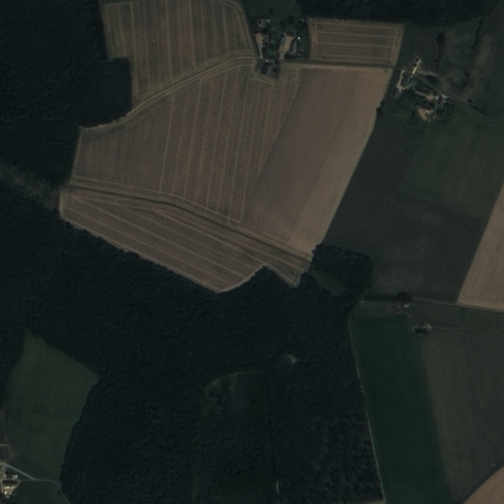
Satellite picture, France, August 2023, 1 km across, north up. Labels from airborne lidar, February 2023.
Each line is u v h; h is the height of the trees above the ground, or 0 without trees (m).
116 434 15
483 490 0
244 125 0
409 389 0
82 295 14
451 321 0
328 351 16
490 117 0
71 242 18
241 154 0
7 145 17
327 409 21
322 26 0
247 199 0
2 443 0
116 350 12
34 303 18
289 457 18
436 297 0
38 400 0
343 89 0
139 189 0
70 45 17
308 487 22
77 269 18
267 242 0
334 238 0
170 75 0
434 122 0
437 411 0
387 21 14
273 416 18
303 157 0
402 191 0
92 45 15
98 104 19
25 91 18
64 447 0
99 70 17
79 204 0
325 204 0
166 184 0
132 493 21
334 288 0
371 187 0
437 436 0
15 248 20
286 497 21
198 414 17
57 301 17
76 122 17
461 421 0
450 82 0
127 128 0
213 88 0
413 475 0
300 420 18
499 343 0
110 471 15
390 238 0
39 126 16
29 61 19
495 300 0
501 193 0
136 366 19
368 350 0
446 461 0
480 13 18
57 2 20
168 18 0
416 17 20
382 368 0
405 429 0
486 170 0
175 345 21
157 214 0
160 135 0
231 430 13
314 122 0
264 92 0
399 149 0
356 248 0
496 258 0
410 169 0
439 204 0
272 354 17
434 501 0
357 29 0
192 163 0
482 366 0
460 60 0
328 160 0
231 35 0
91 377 0
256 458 10
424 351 0
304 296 15
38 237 18
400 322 0
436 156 0
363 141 0
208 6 0
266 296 15
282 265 0
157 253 0
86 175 0
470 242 0
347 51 0
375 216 0
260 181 0
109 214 0
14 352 17
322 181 0
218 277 0
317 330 14
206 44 0
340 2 7
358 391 16
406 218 0
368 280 14
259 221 0
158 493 21
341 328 16
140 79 0
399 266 0
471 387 0
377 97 0
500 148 0
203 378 25
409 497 0
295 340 18
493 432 0
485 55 0
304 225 0
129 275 18
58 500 0
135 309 22
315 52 0
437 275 0
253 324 18
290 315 16
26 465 0
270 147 0
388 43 0
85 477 16
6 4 22
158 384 16
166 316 21
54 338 16
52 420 0
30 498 0
